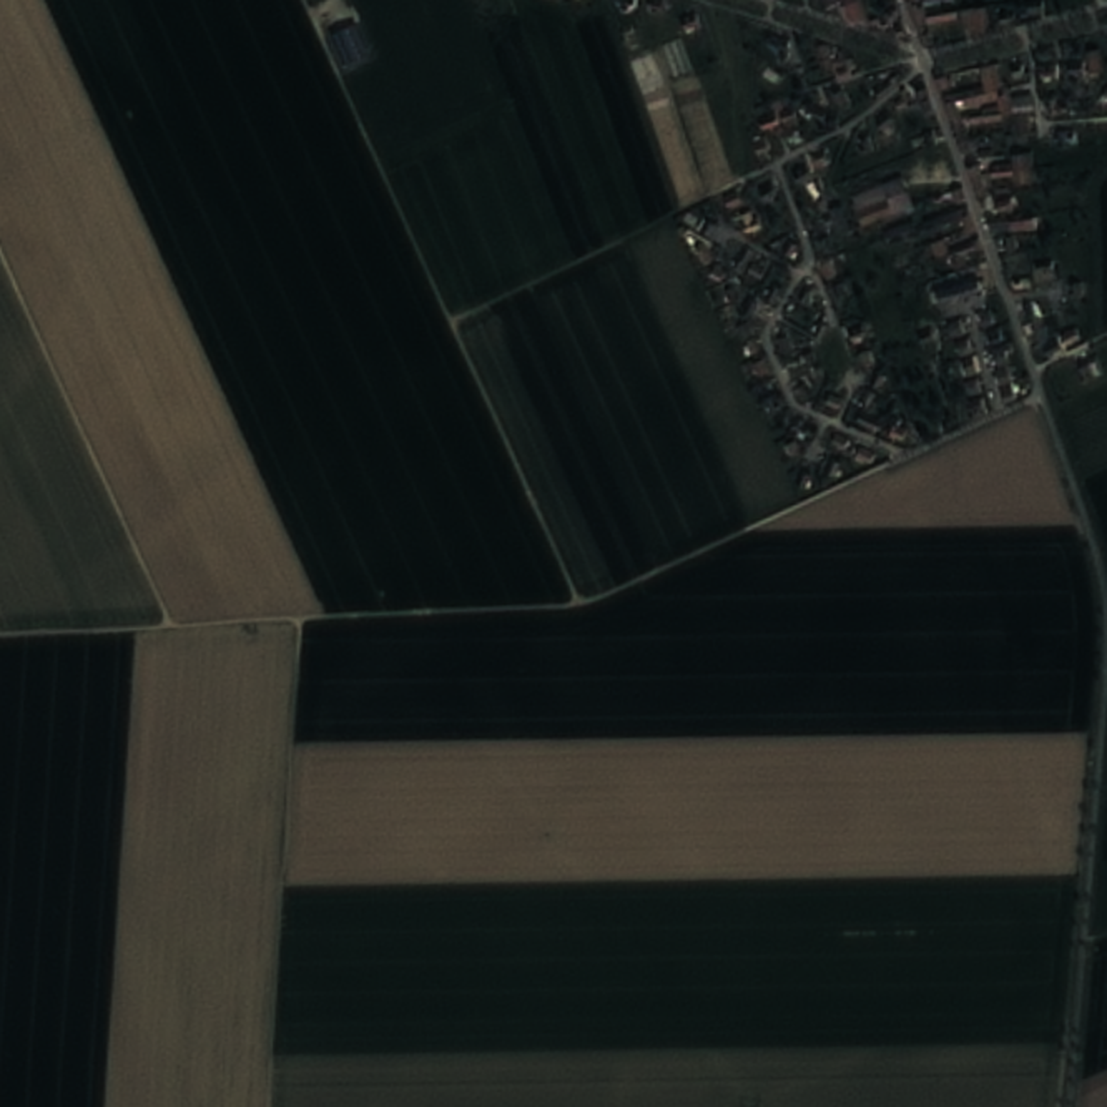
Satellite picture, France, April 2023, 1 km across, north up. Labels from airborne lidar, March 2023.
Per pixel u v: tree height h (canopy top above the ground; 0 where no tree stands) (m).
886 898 0
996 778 0
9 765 0
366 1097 0
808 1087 0
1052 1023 0
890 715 0
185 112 0
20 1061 0
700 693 0
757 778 0
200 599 0
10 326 0
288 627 0
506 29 0
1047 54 10
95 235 0
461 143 0
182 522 0
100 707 0
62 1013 0
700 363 0
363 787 0
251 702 0
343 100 0
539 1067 0
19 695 0
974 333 0
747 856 0
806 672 0
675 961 0
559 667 0
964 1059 0
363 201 0
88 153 0
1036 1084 0
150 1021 0
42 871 0
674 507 0
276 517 0
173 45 0
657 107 0
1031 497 0
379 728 0
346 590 0
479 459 0
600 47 0
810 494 0
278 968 0
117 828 0
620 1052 0
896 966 0
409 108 0
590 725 0
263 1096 0
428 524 0
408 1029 0
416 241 0
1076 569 0
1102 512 0
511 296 0
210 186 0
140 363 0
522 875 0
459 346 0
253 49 0
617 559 0
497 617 0
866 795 0
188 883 0
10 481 0
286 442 0
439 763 0
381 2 0
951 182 0
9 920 0
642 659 0
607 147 0
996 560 0
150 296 0
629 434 0
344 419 0
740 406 0
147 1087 0
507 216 0
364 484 0
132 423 0
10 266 0
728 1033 0
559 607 0
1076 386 0
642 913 0
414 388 0
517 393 0
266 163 0
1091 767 0
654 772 0
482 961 0
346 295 0
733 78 0
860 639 0
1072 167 0
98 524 0
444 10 0
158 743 0
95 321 0
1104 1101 0
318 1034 0
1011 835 0
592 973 0
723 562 0
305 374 0
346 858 0
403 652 0
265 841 0
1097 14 12
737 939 0
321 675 0
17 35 0
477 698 0
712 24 0
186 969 0
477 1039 0
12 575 0
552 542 0
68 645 0
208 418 0
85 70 0
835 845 0
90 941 0
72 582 0
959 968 0
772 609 0
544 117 0
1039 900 0
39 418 0
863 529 0
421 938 0
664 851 0
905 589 0
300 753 0
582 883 0
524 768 0
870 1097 0
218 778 0
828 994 0
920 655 0
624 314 0
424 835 0
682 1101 0
